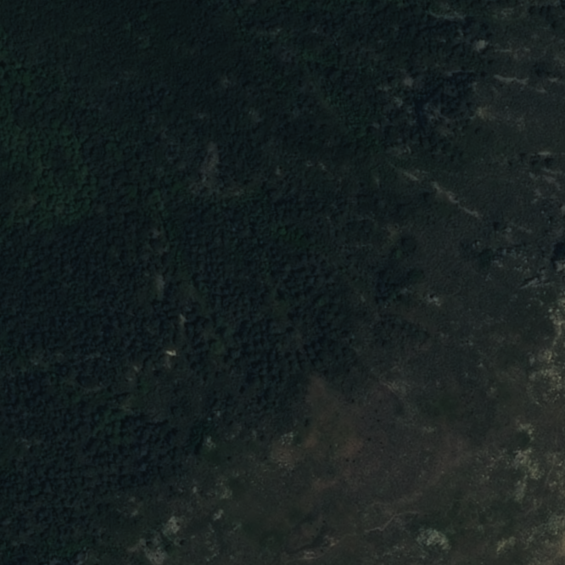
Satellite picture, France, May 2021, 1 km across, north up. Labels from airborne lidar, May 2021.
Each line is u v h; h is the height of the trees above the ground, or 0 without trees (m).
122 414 17
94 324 13
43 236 12
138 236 11
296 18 7
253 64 11
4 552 6
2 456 8
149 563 0
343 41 13
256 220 11
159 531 6
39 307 17
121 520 11
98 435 14
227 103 11
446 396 0
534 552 0
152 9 11
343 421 0
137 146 9
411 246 11
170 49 7
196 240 11
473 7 13
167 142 6
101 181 17
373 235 10
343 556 0
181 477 8
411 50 9
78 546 10
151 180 10
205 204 17
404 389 0
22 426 13
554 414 0
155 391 5
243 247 13
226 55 7
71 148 13
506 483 0
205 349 17
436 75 8
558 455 0
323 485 0
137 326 17
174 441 15
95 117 13
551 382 0
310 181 8
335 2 10
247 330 18
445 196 0
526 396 0
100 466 7
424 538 0
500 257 6
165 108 17
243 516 0
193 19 12
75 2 11
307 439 0
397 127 6
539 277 9
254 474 0
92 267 22
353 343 9
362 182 7
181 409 11
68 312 8
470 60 16
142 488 11
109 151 19
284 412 6
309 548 0
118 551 7
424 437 0
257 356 17
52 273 6
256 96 15
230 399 16
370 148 8
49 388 16
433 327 0
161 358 8
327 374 11
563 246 14
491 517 0
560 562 0
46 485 20
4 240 7
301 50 11
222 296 6
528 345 0
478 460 0
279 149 8
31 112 11
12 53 9
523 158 7
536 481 0
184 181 16
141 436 7
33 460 8
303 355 23
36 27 9
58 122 20
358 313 6
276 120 11
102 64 10
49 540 21
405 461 0
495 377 0
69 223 12
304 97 8
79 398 15
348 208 10
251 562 0
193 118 7
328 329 16
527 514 0
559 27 13
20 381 15
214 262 8
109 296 14
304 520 0
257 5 14
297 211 7
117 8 11
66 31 9
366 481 0
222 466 0
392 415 0
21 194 8
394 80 18
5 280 14
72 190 17
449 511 0
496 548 0
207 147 10
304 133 7
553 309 0
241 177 8
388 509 0
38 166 22
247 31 7
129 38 7
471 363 0
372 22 6
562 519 0
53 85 10
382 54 16
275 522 0
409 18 9
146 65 13
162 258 6
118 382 15
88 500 11
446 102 11
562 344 0
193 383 7
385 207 7
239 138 15
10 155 8
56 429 12
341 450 0
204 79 7
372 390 0
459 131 9
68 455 12
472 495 0
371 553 0
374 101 7
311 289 12
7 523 16
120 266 20
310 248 8
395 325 11
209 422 8
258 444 0
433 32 14
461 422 0
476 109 8
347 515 0
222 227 8
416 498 0
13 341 8
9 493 16
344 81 18
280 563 0
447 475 0
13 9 9
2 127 9
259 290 12
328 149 6
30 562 17
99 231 14
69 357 17
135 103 10
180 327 14
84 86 9
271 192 23
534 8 13
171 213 10
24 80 22
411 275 9
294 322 14
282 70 8
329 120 7
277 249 9
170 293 14
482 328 0
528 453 0
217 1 6
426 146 13
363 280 7
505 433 0
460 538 0
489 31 7
